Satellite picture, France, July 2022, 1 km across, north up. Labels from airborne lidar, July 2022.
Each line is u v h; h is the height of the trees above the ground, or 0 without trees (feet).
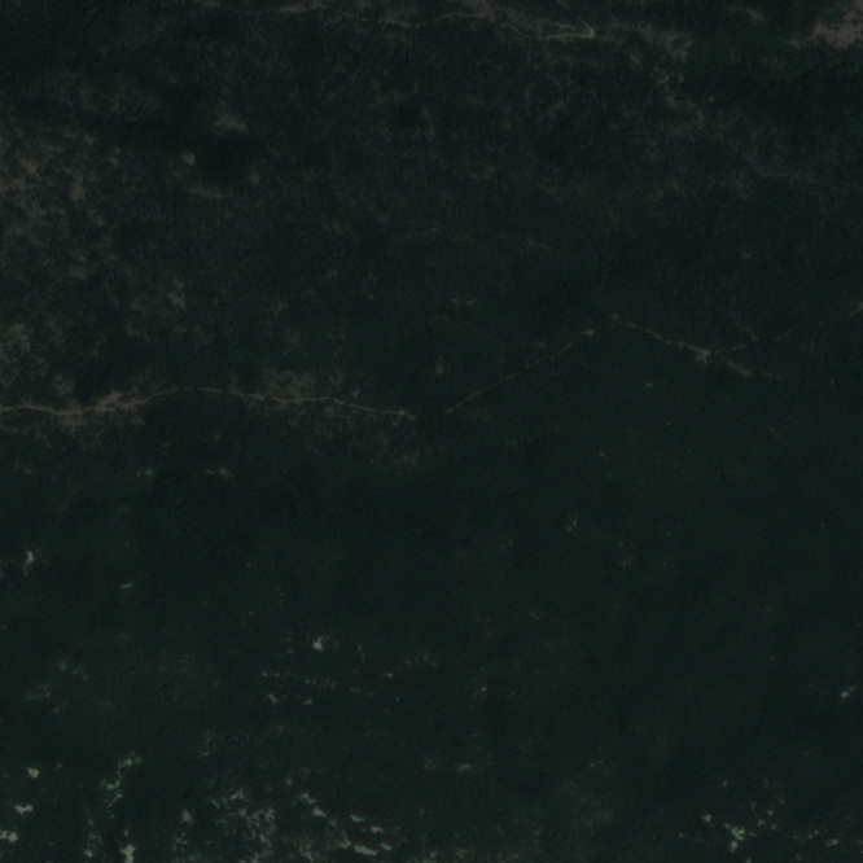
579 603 28
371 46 20
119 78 18
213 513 29
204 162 30
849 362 24
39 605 22
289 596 25
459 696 24
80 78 26
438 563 23
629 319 19
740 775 18
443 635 19
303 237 18
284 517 30
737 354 17
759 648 21
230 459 21
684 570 37
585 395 17
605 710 28
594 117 28
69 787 23
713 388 17
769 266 20
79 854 19
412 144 25
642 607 34
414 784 20
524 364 21
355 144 19
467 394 17
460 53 18
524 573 27
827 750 21
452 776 25
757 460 19
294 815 18
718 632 20
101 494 20
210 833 21
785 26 27
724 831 22
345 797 17
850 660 18
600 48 18
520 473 19
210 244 20
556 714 28
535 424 21
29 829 24
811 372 17
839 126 23
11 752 20
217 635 29
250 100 18
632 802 31
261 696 22
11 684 22
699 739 23
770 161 20
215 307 19
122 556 19
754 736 21
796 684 23
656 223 18
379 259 18
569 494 19
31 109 32
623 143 24
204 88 26
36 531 26
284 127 20
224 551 47
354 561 35
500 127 20
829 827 17
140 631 26
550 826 20
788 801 20
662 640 24
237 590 31
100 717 18
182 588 30
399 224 19
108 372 30
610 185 22
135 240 20
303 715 24
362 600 18
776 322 22
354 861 21
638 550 18
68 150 19
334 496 25
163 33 21
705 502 21
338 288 17
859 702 29
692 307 18
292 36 19
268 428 17
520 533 23
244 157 29
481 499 24
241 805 24
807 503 18
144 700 28
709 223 20
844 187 20
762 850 19
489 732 23
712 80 45
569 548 27
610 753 20
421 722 18
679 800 26
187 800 34
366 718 24
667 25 17
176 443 26
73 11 31
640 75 17
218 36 28
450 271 17
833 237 19
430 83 24
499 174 17
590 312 18
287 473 23
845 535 18
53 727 33
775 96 31
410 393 19
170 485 39
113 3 26
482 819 23
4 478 21
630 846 18
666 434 18
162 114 31
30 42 33
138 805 29
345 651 21
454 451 18
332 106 20
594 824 18
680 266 23
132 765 28
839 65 32
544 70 19
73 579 41
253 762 21
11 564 20
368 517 39
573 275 22
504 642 24
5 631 19
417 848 20
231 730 20
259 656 18
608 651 27
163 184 18
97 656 24
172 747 33
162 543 38
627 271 20
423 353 21
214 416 18
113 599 23
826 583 19
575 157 22
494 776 29
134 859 26
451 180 18
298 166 23
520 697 17
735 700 19
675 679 20
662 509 17
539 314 30
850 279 18
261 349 18
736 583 19
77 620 22
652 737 19
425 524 34
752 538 20
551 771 25
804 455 17
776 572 28
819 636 20
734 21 19
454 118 28
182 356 18
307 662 19
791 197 18
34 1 20
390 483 24
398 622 23
